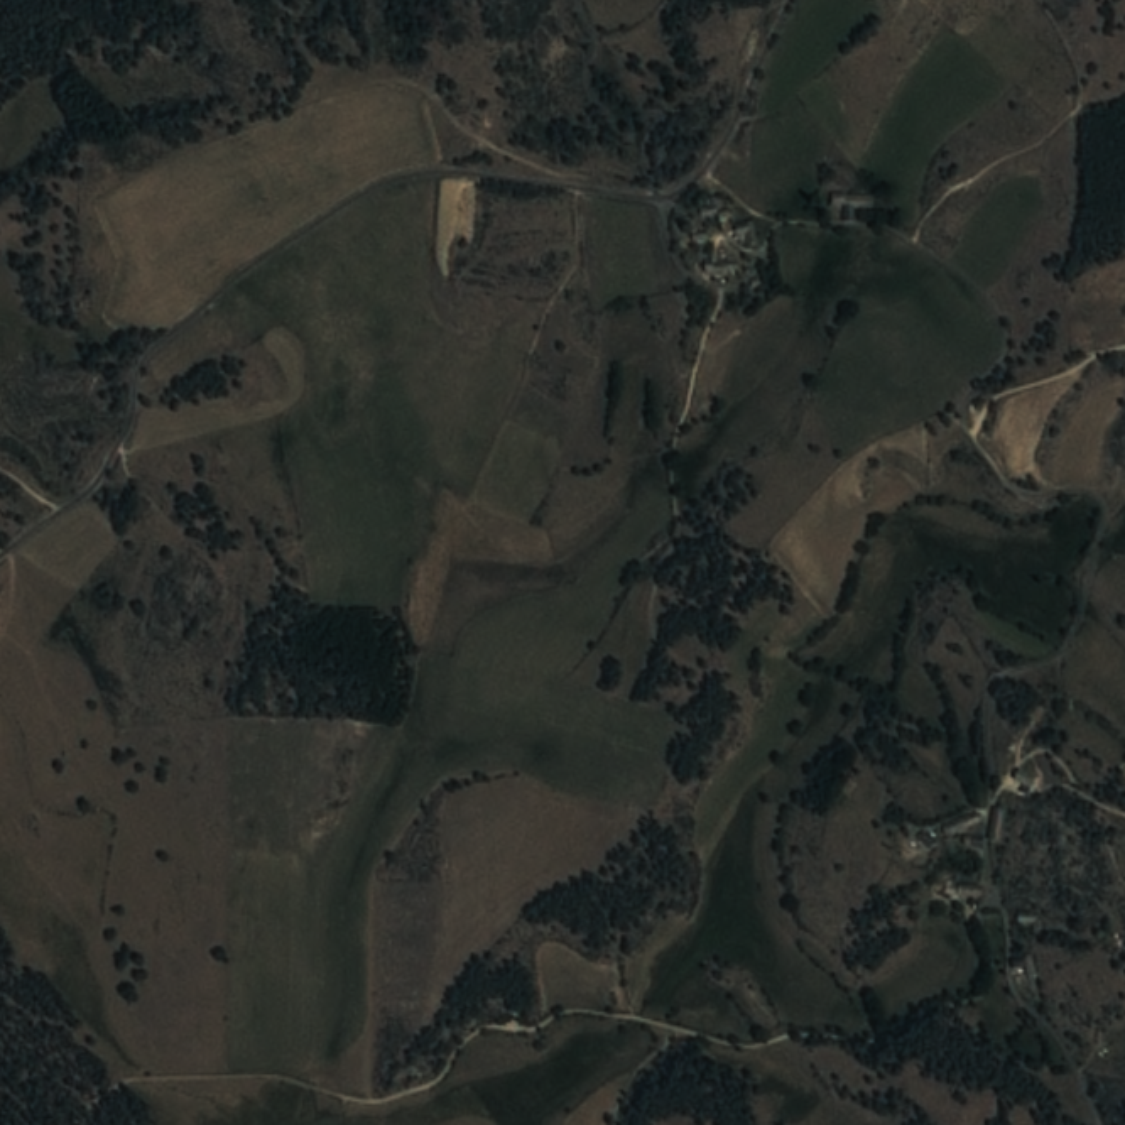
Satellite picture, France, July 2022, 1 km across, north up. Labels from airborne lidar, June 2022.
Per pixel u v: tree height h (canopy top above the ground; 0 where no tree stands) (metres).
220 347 0
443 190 0
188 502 15
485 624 0
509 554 0
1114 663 0
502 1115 0
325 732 0
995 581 0
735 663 0
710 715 15
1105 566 0
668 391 0
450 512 0
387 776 0
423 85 0
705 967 12
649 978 0
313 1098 0
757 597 16
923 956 0
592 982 0
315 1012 0
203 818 0
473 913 0
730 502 10
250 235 0
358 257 0
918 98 0
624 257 0
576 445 0
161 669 0
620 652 0
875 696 10
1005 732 0
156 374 0
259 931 0
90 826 0
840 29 0
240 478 0
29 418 0
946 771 0
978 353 0
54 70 13
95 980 0
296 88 10
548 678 0
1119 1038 0
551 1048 0
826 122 0
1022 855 0
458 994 14
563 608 0
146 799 0
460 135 0
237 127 9
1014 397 0
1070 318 0
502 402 0
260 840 0
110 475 8
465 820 0
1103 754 0
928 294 0
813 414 0
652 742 0
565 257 0
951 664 0
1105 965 0
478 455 0
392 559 0
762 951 0
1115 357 7
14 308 0
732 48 0
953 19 0
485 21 10
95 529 0
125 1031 0
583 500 0
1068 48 0
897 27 0
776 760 13
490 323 0
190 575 0
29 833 0
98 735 0
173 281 0
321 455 0
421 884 0
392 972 0
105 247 0
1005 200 0
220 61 7
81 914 0
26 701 0
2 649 0
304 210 0
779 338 0
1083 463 0
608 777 0
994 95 0
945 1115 0
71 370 0
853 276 0
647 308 11
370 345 0
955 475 0
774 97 0
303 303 0
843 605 14
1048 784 0
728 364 0
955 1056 15
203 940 0
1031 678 0
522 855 0
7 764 0
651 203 0
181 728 0
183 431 0
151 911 0
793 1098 0
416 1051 8
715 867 0
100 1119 19
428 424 0
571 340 0
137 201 0
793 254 0
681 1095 20
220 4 0
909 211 0
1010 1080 20
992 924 0
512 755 0
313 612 12
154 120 17
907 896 13
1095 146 9
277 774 0
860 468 0
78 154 11
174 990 0
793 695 0
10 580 0
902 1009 0
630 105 13
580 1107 0
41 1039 23
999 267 0
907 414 0
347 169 0
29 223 8
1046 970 0
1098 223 11
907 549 0
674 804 0
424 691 0
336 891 0
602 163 0
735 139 0
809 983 0
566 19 0
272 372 0
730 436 0
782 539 0
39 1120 17
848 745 13
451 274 0
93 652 0
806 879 0
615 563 0
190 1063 0
